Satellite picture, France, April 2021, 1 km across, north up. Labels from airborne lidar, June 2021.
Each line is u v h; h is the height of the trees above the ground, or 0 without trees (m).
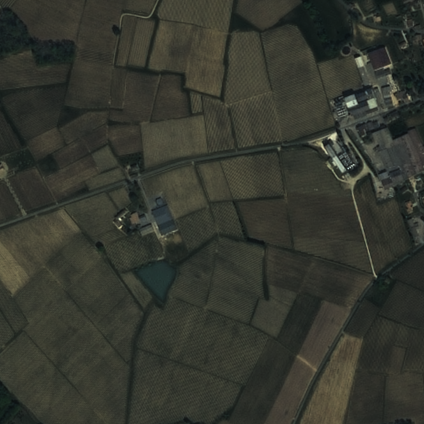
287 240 0
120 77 0
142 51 0
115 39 0
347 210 0
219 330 0
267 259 0
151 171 0
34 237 0
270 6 0
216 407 0
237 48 0
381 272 0
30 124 0
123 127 0
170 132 0
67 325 0
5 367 0
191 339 0
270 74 0
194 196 0
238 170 0
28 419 0
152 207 0
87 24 0
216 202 0
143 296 0
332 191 0
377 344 0
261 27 0
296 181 0
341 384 0
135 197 16
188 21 0
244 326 0
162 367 0
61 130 0
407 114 0
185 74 0
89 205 0
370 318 0
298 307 0
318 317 0
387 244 0
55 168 0
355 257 0
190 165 0
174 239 0
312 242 0
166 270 0
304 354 0
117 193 0
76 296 0
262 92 0
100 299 0
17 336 0
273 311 0
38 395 0
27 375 0
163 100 0
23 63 0
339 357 0
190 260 0
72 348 0
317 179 0
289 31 0
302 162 0
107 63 0
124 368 0
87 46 0
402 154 0
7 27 17
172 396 0
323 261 0
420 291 0
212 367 0
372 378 0
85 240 0
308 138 0
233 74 0
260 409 0
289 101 0
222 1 0
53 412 0
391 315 0
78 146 0
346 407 0
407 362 0
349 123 0
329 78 0
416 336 0
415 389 0
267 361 0
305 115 0
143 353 0
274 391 0
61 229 0
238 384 0
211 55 0
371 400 0
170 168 0
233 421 0
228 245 0
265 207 0
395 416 0
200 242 0
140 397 0
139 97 0
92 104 0
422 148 0
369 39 0
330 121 0
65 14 0
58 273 0
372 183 6
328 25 0
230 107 0
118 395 0
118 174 0
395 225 0
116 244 0
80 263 0
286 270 0
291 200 0
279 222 0
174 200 0
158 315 0
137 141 0
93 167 0
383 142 0
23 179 0
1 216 0
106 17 0
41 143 0
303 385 0
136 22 0
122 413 0
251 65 0
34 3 0
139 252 0
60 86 0
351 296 0
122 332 0
